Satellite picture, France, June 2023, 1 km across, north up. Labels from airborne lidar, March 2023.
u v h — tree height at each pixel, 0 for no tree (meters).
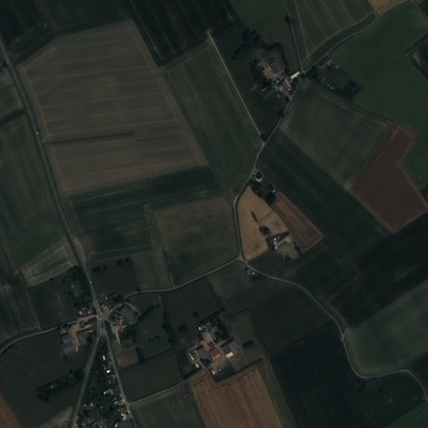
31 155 0
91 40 0
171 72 0
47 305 0
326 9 0
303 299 0
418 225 0
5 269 0
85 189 0
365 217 0
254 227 0
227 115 0
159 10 0
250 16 0
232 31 0
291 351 0
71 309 0
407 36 0
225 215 0
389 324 0
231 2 0
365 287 0
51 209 0
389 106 0
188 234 0
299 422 0
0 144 0
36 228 0
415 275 0
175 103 0
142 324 0
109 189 0
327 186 0
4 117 0
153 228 0
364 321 0
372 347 0
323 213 0
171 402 0
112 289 0
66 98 0
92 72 0
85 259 0
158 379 0
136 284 0
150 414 0
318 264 0
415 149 0
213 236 0
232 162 0
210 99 0
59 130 0
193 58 0
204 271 0
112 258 0
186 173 0
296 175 0
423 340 0
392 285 0
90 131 0
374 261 0
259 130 0
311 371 0
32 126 0
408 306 0
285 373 0
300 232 0
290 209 0
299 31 0
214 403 0
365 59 0
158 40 0
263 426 0
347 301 0
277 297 0
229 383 0
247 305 0
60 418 0
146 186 0
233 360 0
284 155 0
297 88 0
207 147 0
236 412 0
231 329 0
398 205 0
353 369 0
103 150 0
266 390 0
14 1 0
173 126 0
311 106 0
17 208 0
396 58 0
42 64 0
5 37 0
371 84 0
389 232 0
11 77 0
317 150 0
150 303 0
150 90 0
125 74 0
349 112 0
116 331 0
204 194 0
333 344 0
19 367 0
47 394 19
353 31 0
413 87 0
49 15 0
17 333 0
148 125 0
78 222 0
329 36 0
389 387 0
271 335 0
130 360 0
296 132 0
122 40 0
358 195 0
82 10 0
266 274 0
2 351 0
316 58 0
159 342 0
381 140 0
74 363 0
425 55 0
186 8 0
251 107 0
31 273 0
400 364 0
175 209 0
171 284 0
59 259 0
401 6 0
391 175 0
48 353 0
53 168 0
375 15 0
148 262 0
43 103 0
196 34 0
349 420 0
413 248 0
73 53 0
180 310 0
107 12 0
